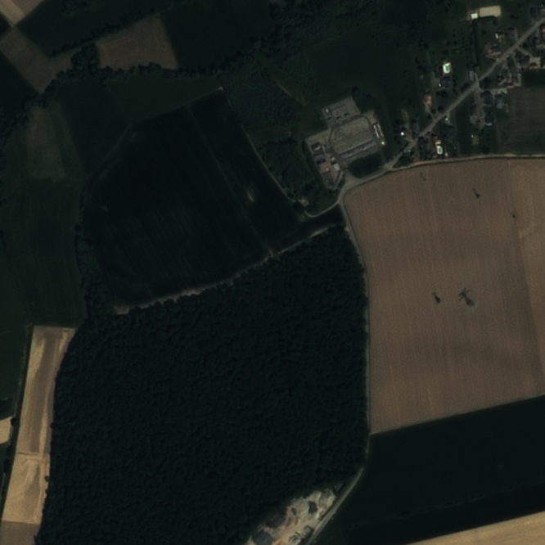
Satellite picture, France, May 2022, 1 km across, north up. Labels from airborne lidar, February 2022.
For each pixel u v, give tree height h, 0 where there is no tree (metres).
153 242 0
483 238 0
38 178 0
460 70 0
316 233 0
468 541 0
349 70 0
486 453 0
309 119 0
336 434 25
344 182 0
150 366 19
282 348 24
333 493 0
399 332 0
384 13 0
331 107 0
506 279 0
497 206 0
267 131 0
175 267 0
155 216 0
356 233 0
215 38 0
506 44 0
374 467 0
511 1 0
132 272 0
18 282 0
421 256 0
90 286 22
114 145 0
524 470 0
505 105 0
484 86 8
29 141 0
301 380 20
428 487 0
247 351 22
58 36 0
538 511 0
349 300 23
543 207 0
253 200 0
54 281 0
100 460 26
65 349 0
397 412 0
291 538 0
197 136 0
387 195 0
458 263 0
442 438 0
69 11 18
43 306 0
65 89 0
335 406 27
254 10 0
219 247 0
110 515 25
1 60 0
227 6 0
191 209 0
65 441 20
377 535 0
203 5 0
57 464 11
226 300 28
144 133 0
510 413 0
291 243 0
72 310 0
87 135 0
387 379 0
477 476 0
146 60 0
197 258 0
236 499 23
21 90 0
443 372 0
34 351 0
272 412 26
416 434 0
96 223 0
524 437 0
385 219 0
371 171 0
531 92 0
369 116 0
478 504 0
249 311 29
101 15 0
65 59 0
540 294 0
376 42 0
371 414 0
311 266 19
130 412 24
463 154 0
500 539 0
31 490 0
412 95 0
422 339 0
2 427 0
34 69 0
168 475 24
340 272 22
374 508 0
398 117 0
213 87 0
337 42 0
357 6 0
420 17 0
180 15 0
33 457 0
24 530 0
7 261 0
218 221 0
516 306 0
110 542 29
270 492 26
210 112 0
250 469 25
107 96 0
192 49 0
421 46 7
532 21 0
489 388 0
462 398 0
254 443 27
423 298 0
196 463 23
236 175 0
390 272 0
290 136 0
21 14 0
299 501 0
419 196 0
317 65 0
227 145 0
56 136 0
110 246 0
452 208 0
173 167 0
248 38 0
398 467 0
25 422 0
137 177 0
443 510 0
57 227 0
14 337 0
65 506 23
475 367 0
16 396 0
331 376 22
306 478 26
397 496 0
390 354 0
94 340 22
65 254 0
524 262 0
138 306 0
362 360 19
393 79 0
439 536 0
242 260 0
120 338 24
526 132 0
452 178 0
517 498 0
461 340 0
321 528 0
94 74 12
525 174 0
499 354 0
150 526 23
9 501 0
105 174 0
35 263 0
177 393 28
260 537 0
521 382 0
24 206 0
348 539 0
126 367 26
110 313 7
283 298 26
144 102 0
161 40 0
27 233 0
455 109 0
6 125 17
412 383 0
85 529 25
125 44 0
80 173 0
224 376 26
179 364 25
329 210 0
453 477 0
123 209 0
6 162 13
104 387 24
